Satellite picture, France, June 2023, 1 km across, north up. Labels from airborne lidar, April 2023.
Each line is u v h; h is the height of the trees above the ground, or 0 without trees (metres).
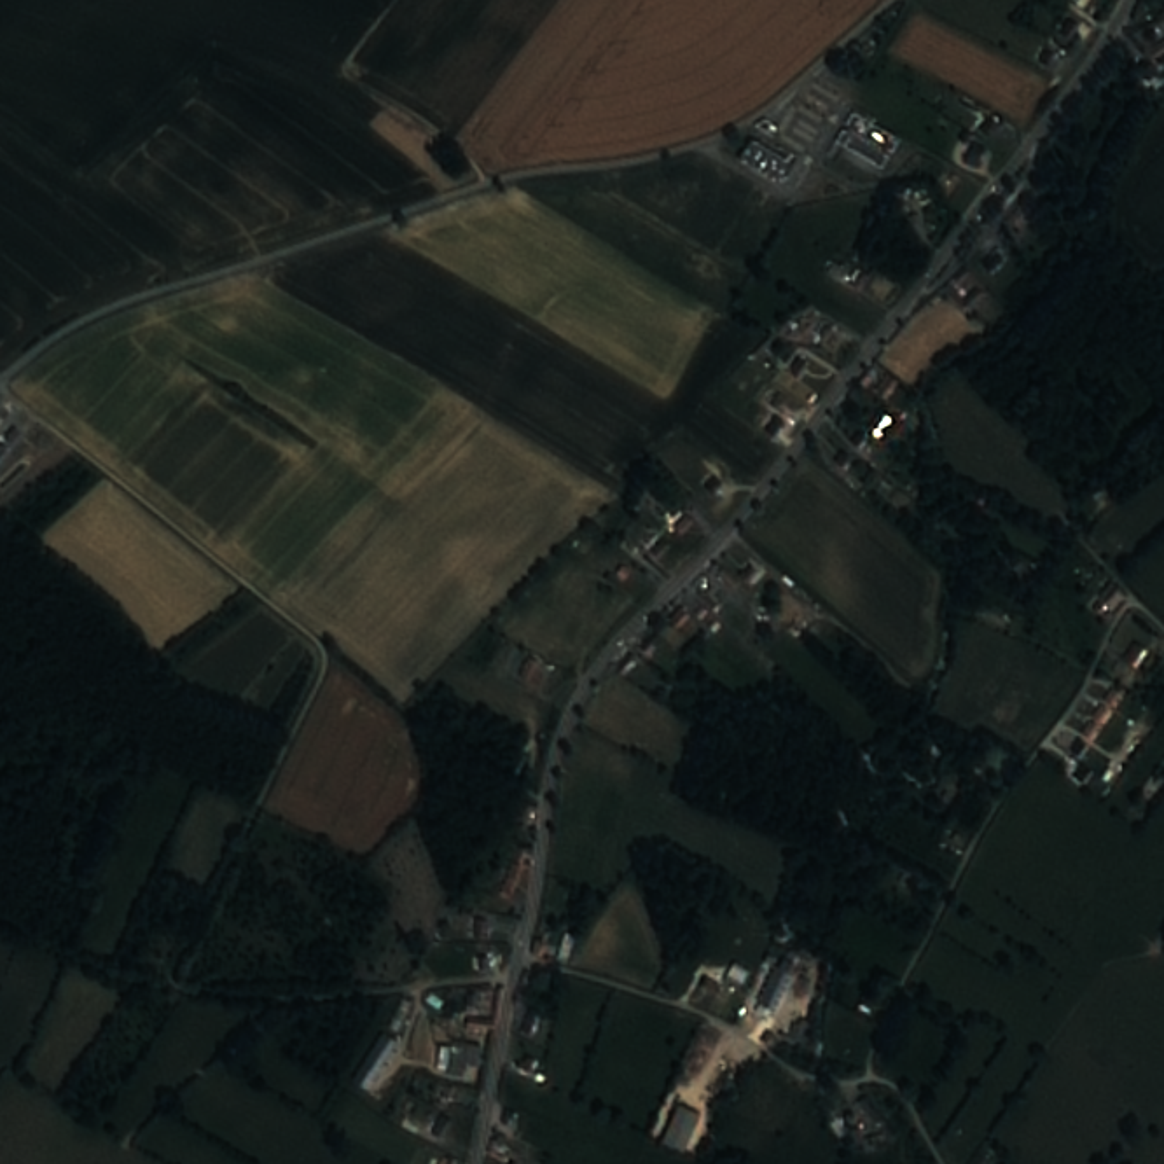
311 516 0
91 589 9
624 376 0
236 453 0
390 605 0
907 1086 15
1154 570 0
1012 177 8
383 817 0
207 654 0
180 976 10
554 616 0
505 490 0
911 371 0
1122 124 19
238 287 0
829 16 0
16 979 0
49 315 0
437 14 0
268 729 26
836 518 0
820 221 0
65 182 0
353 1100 0
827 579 0
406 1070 0
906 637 0
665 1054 0
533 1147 0
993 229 0
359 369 0
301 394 0
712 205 0
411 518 0
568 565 0
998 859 0
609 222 0
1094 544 0
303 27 0
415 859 0
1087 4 0
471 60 0
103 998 0
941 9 0
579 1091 8
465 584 0
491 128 0
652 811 0
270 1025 24
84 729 16
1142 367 32
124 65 0
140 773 26
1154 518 0
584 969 0
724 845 0
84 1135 0
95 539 0
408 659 0
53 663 14
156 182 0
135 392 0
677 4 0
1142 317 21
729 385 0
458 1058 0
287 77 0
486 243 0
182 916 19
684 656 6
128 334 0
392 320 0
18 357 0
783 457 0
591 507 0
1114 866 0
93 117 0
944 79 0
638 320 0
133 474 0
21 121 0
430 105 0
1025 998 0
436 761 23
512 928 0
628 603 0
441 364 0
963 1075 0
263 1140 0
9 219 0
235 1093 0
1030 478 0
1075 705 0
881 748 12
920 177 7
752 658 0
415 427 0
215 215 0
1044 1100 0
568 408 0
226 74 0
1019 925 0
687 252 0
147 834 0
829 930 25
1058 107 0
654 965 0
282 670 0
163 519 0
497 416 0
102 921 0
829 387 0
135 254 0
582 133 0
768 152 0
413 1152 0
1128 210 0
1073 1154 0
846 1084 0
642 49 0
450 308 0
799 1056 8
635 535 0
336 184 0
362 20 0
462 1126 0
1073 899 0
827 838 28
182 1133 0
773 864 0
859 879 16
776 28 0
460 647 0
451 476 0
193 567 0
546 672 0
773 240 9
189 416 0
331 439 0
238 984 10
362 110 0
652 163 0
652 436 0
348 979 6
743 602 0
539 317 0
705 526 0
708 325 0
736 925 0
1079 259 34
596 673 0
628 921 0
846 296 0
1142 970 0
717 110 0
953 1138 0
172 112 0
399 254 0
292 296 0
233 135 0
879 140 0
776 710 28
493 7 0
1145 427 16
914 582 0
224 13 0
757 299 0
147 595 0
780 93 0
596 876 0
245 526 0
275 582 0
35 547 8
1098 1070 0
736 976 0
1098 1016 0
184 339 0
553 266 0
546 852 0
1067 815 0
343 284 0
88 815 8
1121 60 13
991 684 0
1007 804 0
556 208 0
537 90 0
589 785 0
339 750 0
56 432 0
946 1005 9
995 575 23
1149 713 0
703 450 0
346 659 5
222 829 0
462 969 0
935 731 16
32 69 0
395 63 0
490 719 18
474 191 0
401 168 0
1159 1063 0
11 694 16
